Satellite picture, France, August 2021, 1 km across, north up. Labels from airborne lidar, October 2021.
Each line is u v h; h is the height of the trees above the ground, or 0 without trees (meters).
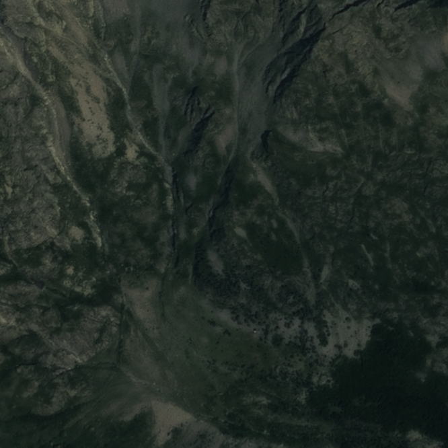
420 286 6
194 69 0
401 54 0
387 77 0
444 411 14
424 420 11
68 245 0
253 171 0
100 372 0
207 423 0
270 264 0
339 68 0
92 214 0
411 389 11
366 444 8
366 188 0
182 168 0
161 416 0
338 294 0
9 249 0
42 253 0
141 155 0
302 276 0
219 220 0
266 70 0
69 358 0
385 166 0
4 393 0
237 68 0
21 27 0
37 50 0
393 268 0
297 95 0
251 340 0
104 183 0
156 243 0
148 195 0
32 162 0
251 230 0
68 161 0
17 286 0
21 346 0
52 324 0
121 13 0
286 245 0
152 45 0
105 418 0
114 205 0
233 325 0
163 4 0
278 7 0
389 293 0
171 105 0
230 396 0
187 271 0
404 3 0
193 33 0
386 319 6
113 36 0
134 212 0
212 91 0
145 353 0
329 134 0
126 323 0
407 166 0
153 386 0
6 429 0
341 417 9
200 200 0
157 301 0
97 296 0
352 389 9
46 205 0
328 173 0
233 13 0
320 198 0
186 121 0
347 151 0
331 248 0
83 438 0
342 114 0
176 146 0
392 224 0
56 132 0
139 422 0
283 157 0
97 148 0
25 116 0
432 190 0
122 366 0
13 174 0
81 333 0
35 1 0
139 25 0
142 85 0
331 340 0
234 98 0
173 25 0
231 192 0
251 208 0
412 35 0
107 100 0
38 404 0
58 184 0
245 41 0
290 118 0
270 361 0
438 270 0
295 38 0
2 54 0
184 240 0
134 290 0
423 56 0
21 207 0
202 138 0
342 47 0
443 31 0
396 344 13
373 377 10
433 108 0
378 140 0
